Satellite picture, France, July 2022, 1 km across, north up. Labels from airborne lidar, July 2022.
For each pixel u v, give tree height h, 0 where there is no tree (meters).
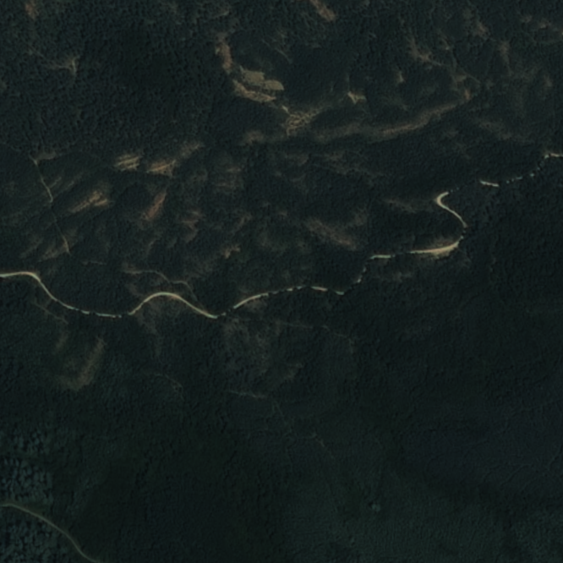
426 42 12
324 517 10
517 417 12
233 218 7
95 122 17
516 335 12
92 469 15
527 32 11
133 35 15
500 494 22
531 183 12
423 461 17
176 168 9
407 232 9
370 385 15
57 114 16
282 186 10
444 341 9
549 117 7
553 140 10
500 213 17
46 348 7
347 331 12
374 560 11
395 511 14
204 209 8
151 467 31
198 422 14
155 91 12
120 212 7
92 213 11
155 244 8
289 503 9
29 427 16
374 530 13
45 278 8
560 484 16
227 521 19
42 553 38
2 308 24
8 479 17
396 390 11
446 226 12
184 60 24
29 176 14
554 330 11
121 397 14
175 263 8
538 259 12
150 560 22
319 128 8
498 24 18
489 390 13
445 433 14
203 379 12
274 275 9
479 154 8
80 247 14
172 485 16
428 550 12
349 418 16
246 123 12
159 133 13
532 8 12
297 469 9
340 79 11
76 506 18
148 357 7
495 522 12
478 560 14
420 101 8
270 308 8
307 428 8
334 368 9
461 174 7
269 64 5
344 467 8
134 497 19
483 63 16
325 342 10
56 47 15
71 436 23
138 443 15
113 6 19
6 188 7
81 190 13
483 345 14
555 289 11
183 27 18
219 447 14
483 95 8
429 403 13
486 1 21
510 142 9
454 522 13
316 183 7
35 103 21
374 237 12
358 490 9
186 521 18
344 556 10
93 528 13
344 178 9
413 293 10
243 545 15
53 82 16
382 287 10
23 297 12
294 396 8
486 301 8
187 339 12
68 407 17
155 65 10
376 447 15
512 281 11
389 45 18
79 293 15
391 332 15
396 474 14
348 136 7
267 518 19
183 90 18
